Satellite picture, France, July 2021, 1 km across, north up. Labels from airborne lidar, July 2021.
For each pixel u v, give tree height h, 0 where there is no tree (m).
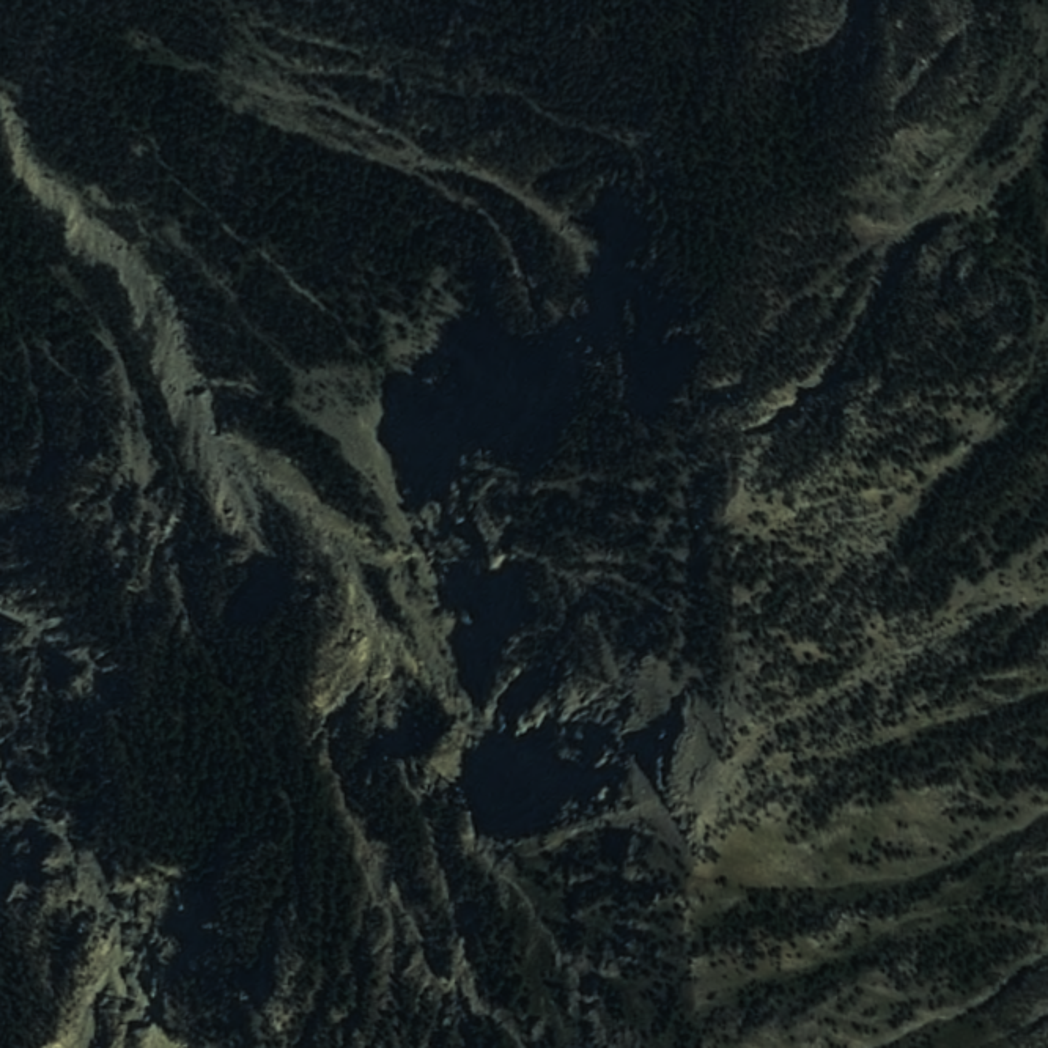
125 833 15
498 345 25
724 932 7
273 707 15
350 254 10
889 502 8
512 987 14
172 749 23
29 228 10
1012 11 6
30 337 19
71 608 8
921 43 11
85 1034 0
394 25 7
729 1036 12
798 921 8
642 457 12
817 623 14
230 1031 9
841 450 7
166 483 7
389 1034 13
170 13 10
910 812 0
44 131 10
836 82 16
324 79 7
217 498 0
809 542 7
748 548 15
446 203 13
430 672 0
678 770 0
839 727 7
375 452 0
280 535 13
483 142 11
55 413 18
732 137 19
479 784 0
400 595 0
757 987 7
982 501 14
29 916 11
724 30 9
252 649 20
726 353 18
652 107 12
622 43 15
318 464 8
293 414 10
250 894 12
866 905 7
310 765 16
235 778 23
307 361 7
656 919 9
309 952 17
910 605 10
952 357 9
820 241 15
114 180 9
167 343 0
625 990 0
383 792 14
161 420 19
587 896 6
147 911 0
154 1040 0
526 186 8
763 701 10
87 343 16
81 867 0
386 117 7
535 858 0
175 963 0
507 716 0
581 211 13
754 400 7
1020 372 8
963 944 8
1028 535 11
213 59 14
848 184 9
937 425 9
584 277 0
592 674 6
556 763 0
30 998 8
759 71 15
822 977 9
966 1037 0
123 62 22
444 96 8
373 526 7
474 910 10
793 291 10
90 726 16
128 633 18
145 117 20
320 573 6
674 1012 7
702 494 7
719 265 21
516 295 17
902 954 8
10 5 11
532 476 8
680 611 12
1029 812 0
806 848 0
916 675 11
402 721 0
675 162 14
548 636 6
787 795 11
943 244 15
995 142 7
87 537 8
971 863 8
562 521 18
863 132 14
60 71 19
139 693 19
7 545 14
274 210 11
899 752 14
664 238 13
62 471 13
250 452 0
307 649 15
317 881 12
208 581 15
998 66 8
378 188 17
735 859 0
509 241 14
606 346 13
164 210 7
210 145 11
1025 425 19
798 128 26
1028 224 15
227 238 7
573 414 15
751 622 12
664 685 0
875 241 0
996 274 13
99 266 7
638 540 15
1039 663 10
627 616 8
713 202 23
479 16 15
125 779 18
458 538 6
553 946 0
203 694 11
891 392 15
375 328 15
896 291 16
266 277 10
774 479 7
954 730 12
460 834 9
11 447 14
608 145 15
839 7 10
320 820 16
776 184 21
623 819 0
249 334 8
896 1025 14
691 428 8
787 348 16
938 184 0
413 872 8
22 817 0
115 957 0
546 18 17
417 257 20
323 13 8
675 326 11
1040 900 7
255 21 0
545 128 16
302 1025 10
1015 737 14
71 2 18
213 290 8
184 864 9
